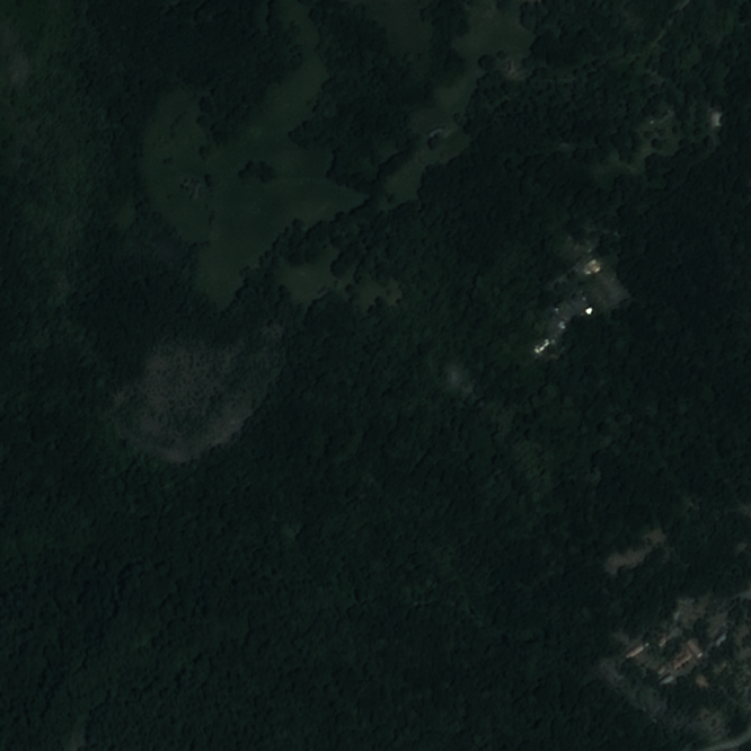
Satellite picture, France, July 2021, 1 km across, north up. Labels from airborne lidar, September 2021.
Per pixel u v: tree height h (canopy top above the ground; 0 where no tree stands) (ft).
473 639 74
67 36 51
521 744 80
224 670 57
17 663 63
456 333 53
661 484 72
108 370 29
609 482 73
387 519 85
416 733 77
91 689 60
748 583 36
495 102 33
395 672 66
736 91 39
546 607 68
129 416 31
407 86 57
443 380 72
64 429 64
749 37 71
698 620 22
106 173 69
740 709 53
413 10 0
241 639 31
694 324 72
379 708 77
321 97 22
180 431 29
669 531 41
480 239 74
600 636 74
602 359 24
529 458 79
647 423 47
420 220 68
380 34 53
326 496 45
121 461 34
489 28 0
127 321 72
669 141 27
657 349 53
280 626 54
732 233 73
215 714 70
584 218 49
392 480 66
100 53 54
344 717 76
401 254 62
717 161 38
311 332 54
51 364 81
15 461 71
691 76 65
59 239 39
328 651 28
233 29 57
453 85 23
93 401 51
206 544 57
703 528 41
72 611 76
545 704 84
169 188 0
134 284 64
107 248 56
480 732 72
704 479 67
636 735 79
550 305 67
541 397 56
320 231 63
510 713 106
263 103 63
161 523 71
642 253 60
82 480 79
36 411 66
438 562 40
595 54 54
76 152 35
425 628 78
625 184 55
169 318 44
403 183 0
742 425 88
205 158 25
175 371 19
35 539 41
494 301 54
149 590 86
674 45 81
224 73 77
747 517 34
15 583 71
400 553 87
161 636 27
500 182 48
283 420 79
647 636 26
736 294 59
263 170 73
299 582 80
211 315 83
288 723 46
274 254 39
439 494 44
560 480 38
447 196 64
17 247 60
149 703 70
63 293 38
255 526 80
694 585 45
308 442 57
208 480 41
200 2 68
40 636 68
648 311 65
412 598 39
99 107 47
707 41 31
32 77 33
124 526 75
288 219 0
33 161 28
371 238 68
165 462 20
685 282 76
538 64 58
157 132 0
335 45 34
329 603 30
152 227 29
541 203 20
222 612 68
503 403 40
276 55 71
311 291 0
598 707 64
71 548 54
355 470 31
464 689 73
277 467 67
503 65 0
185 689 71
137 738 69
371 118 50
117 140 69
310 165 0
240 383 41
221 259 0
